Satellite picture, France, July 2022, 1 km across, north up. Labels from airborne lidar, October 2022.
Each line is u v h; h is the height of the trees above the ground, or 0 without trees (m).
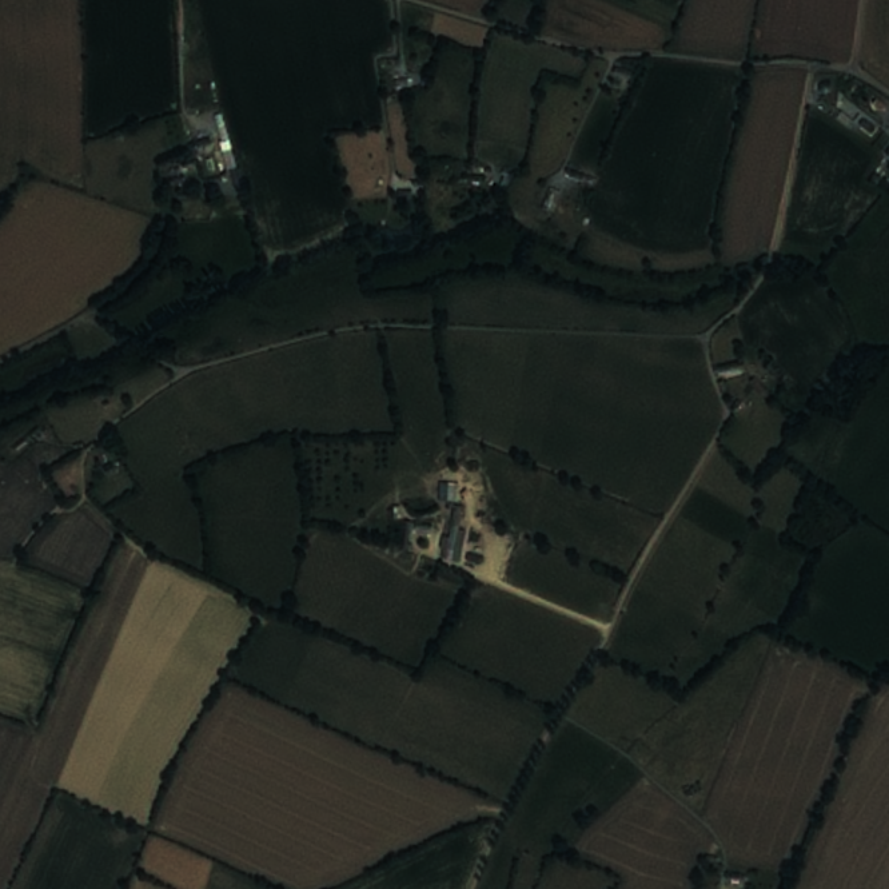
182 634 0
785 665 0
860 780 0
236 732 0
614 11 0
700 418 0
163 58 0
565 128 0
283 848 0
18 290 0
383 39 0
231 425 0
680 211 0
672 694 12
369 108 0
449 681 0
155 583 0
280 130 0
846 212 0
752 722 0
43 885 0
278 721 0
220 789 0
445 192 0
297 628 8
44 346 6
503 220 25
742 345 13
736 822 0
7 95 0
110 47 0
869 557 0
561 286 13
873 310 0
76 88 0
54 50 0
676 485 0
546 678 0
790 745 0
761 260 8
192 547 0
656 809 0
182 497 0
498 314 0
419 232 18
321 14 0
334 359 0
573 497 0
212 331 0
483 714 0
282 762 0
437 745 0
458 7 0
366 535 15
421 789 0
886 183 13
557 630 0
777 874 0
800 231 0
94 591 14
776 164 0
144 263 12
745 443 0
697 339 0
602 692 0
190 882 0
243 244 0
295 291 0
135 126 16
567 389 0
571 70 0
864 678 13
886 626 0
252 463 0
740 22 0
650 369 0
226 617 0
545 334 0
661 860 0
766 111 0
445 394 15
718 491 0
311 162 0
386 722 0
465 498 0
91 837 0
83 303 0
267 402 0
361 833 0
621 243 0
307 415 0
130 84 0
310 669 0
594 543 0
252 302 0
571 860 17
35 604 0
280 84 0
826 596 0
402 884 0
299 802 0
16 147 0
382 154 0
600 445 0
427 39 11
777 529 0
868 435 0
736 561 7
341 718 0
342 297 0
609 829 0
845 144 0
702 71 0
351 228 10
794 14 0
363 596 0
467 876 0
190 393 0
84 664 0
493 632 0
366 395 0
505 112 0
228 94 0
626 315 0
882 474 0
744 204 0
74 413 0
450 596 0
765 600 0
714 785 0
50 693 12
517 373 0
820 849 0
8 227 0
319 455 7
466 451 0
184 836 0
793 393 0
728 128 0
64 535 0
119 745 0
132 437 0
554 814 0
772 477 9
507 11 0
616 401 0
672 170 0
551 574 0
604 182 0
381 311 0
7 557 0
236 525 0
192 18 0
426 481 0
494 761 0
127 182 0
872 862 0
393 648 0
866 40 0
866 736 0
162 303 0
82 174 0
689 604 0
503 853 0
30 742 0
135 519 0
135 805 0
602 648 0
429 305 0
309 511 7
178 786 0
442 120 0
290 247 0
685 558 0
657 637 0
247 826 0
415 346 0
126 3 0
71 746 0
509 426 0
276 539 0
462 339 0
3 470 0
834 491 14
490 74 0
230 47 0
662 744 0
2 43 0
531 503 0
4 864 0
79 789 0
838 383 32
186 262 14
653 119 0
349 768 0
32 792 0
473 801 0
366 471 0
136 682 0
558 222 0
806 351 0
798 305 0
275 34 0
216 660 0
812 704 0
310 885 0
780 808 0
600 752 0
